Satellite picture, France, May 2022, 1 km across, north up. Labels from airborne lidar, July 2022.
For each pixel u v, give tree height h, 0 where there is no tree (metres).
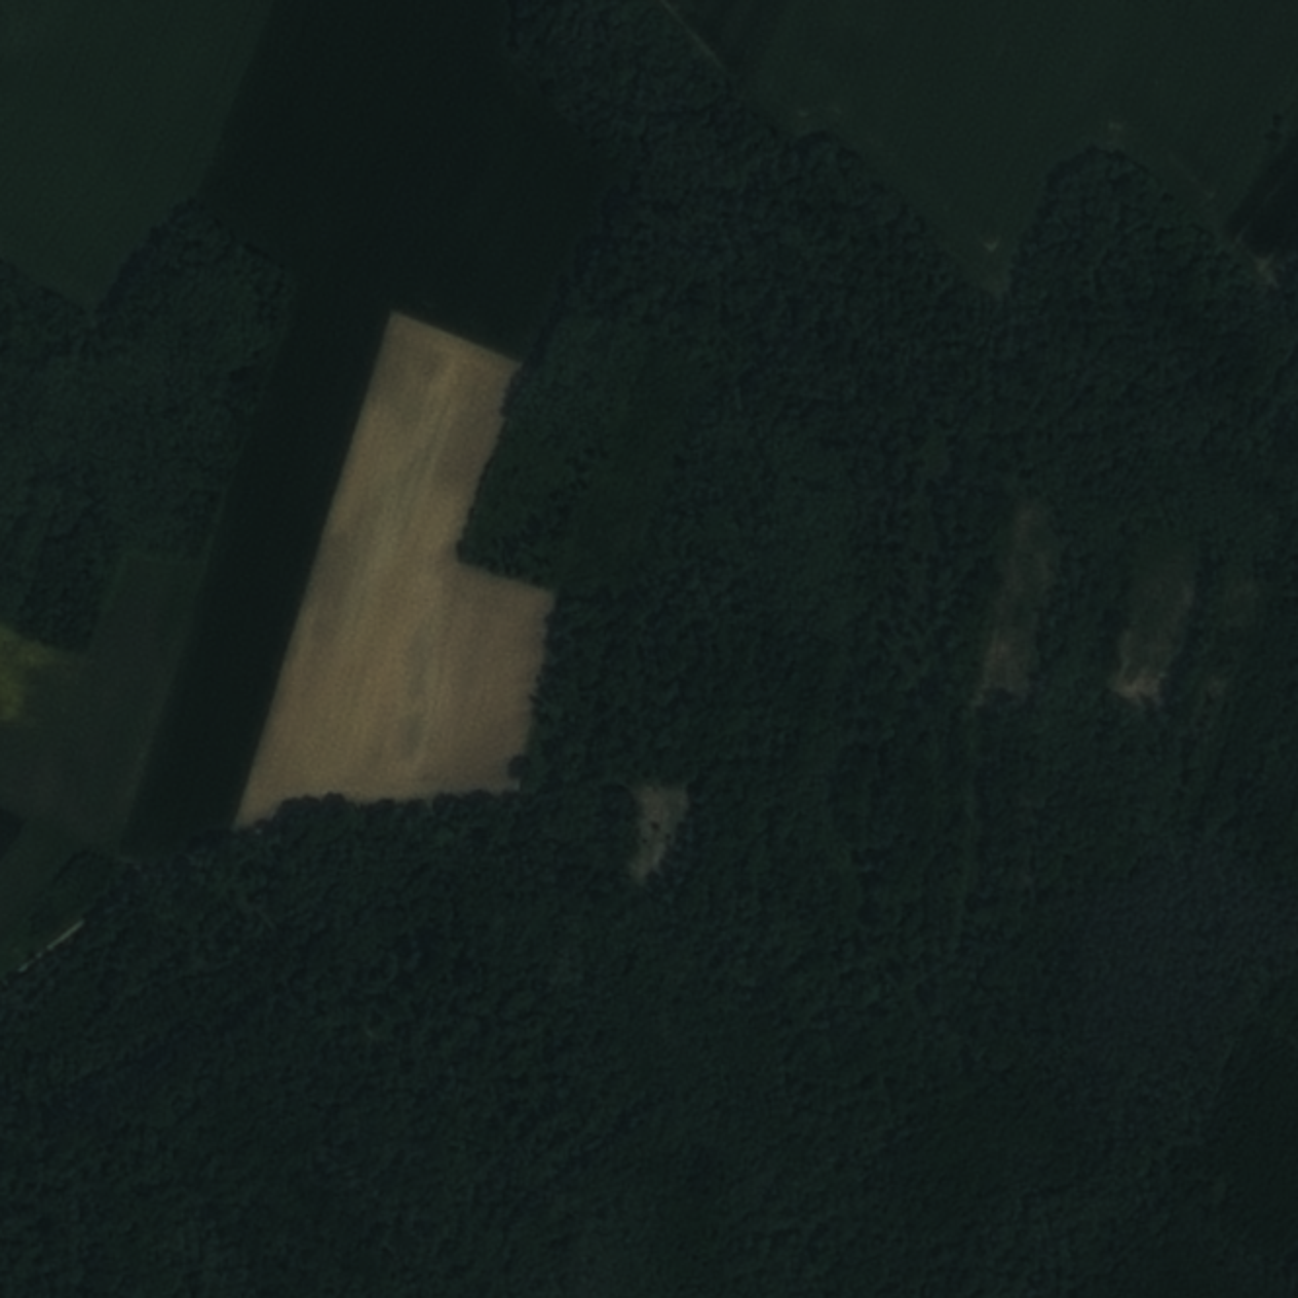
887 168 0
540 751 0
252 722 0
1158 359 26
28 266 0
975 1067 23
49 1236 29
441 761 0
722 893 21
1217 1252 17
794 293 29
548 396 25
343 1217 28
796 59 0
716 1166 26
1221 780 12
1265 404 17
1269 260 0
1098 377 27
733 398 27
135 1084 33
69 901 11
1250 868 24
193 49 0
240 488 0
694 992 22
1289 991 11
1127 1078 23
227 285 26
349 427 0
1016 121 0
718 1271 21
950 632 26
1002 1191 22
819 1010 7
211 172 0
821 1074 28
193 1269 21
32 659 0
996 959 29
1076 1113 26
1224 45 0
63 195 0
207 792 0
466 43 0
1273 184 0
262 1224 23
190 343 23
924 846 27
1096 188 24
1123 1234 21
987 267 0
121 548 23
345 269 0
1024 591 0
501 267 0
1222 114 0
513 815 20
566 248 0
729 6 0
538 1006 24
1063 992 24
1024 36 0
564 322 23
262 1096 27
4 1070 13
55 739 0
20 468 24
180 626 0
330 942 28
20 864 0
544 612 0
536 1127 27
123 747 0
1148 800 26
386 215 0
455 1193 22
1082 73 0
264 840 23
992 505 31
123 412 20
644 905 26
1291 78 0
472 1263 14
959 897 11
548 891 22
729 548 29
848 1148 26
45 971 14
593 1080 27
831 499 27
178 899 35
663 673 25
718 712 24
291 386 0
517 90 0
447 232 0
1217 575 22
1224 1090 8
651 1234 22
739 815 25
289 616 0
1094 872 23
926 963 29
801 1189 24
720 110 28
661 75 26
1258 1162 9
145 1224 11
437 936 24
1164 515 26
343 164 0
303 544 0
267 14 0
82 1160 27
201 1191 28
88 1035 17
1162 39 0
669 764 25
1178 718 28
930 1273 25
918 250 14
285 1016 32
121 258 0
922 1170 18
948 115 0
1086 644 23
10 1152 26
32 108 0
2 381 23
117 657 0
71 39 0
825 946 16
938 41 0
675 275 25
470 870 25
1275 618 13
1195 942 21
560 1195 29
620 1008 24
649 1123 28
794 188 21
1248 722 12
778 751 24
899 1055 23
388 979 16
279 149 0
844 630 20
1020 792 28
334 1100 23
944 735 21
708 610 26
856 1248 25
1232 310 23
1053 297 24
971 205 0
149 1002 13
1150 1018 25
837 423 17
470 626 0
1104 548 23
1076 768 25
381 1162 27
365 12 0
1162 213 25
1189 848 20
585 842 27
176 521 23
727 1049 23
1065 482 20
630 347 28
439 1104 25
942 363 10
